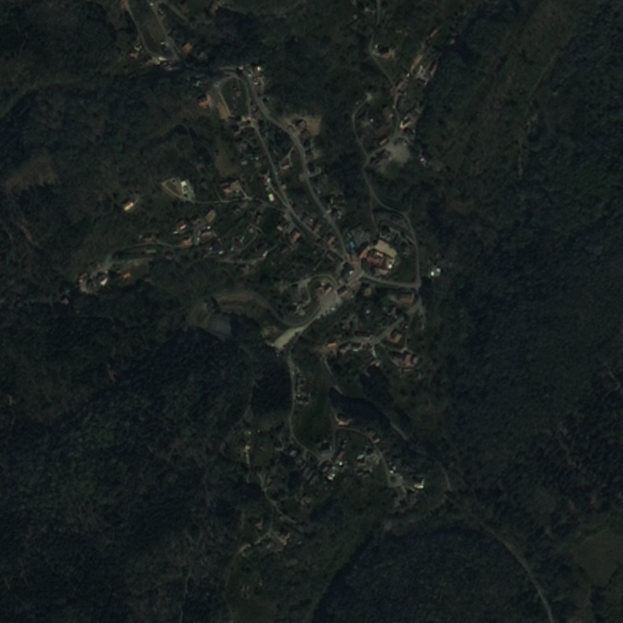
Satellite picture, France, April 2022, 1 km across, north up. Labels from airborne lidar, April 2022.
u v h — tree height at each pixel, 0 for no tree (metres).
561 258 21
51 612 25
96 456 25
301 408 7
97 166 15
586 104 7
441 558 27
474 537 24
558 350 15
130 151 6
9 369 12
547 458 25
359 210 12
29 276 12
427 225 12
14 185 0
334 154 11
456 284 30
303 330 0
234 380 21
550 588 38
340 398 26
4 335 14
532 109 7
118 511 22
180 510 27
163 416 24
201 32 12
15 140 22
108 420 24
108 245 19
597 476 24
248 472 25
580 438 29
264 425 0
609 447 27
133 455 28
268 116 0
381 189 20
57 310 17
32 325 16
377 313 7
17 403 13
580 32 15
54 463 27
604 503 20
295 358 7
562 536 28
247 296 0
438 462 19
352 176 29
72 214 23
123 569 21
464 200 17
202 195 9
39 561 22
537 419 22
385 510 11
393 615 20
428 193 21
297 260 8
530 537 18
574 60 20
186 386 24
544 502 16
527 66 25
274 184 7
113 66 13
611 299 17
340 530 24
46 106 11
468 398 25
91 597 18
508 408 20
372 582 26
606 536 0
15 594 14
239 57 22
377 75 20
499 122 23
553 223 29
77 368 16
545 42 22
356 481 7
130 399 25
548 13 18
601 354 22
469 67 7
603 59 14
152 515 28
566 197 27
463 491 7
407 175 18
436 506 25
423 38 12
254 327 23
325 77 27
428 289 21
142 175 13
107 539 28
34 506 14
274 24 24
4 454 21
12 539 22
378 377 26
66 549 25
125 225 15
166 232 10
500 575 24
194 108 0
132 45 9
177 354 28
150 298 18
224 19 20
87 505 26
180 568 19
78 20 16
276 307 14
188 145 17
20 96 13
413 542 20
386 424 32
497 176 21
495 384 15
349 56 7
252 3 19
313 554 26
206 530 20
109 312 16
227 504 23
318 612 0
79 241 17
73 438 27
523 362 22
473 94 14
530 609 24
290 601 11
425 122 12
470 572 30
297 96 22
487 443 16
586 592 17
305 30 25
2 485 14
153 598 19
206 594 20
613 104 9
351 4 0
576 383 21
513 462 28
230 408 11
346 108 20
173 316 10
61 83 8
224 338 0
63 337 14
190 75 16
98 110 7
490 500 34
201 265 16
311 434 0
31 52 12
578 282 18
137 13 11
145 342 29
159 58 0
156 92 20
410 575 24
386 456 7
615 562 0
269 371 21
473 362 32
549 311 18
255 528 9
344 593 29
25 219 21
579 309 16
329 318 8
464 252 22
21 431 27
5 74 15
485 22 18
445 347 24
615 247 16
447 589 32
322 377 0
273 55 22
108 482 24
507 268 25
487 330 26
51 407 18
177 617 22
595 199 17
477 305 24
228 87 0
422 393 18
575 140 14
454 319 28
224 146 0
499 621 24
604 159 13
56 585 18
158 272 24
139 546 24
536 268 23
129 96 8
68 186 16
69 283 22
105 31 22
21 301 28
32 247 24
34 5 15
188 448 22
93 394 15
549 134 21
